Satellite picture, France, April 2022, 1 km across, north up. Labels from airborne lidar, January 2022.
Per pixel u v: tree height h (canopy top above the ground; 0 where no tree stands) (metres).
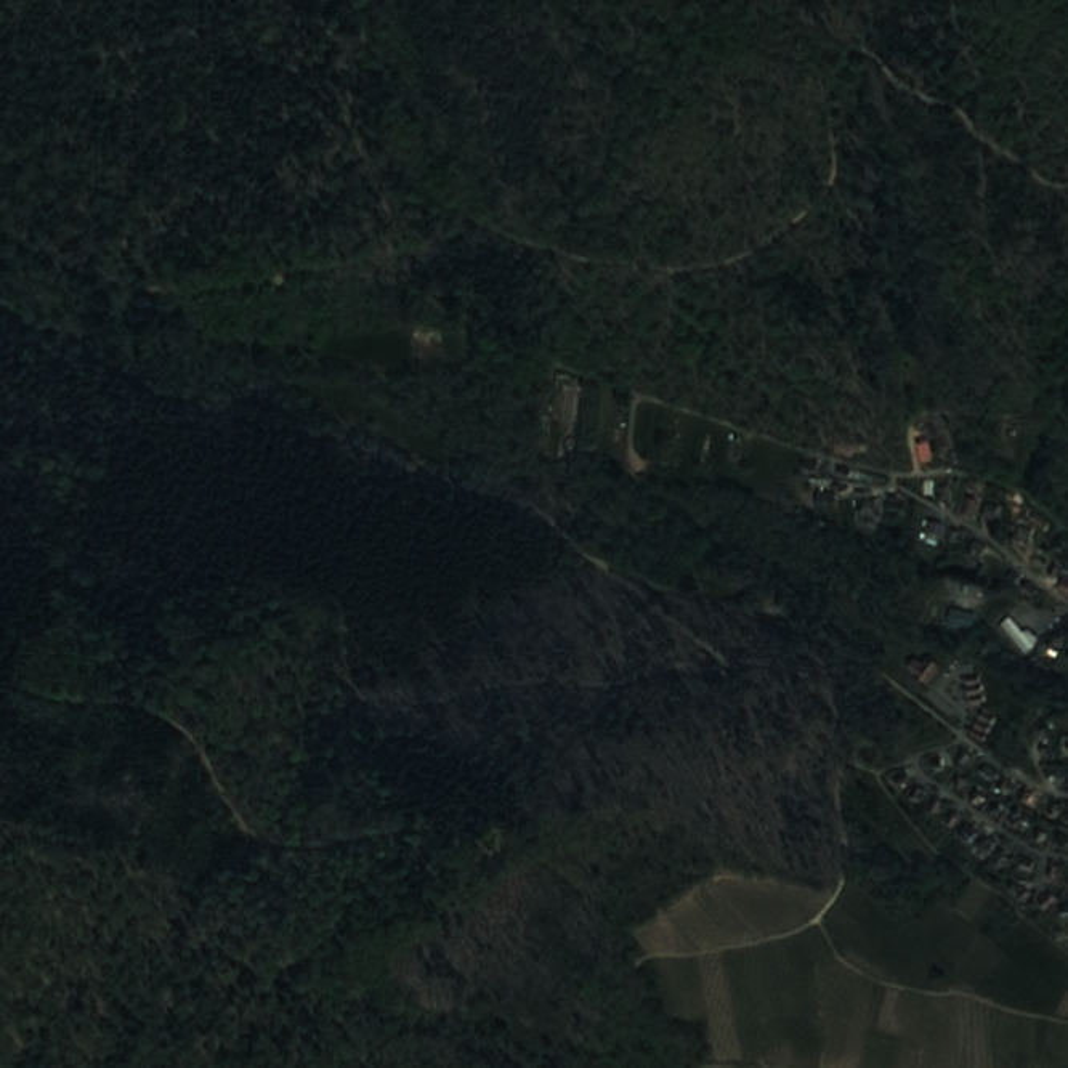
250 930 22
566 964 7
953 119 8
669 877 18
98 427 32
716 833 23
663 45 10
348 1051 22
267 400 28
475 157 13
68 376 38
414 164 23
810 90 14
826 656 18
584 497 22
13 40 23
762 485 0
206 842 14
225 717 27
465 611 27
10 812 12
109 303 34
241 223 18
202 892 9
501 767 19
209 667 27
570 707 21
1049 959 0
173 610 24
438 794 26
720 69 8
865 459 13
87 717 13
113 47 18
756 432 13
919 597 10
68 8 16
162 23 23
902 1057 0
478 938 18
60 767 15
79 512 30
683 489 16
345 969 25
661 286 9
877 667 19
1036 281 6
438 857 22
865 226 16
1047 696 9
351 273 19
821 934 0
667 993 0
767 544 25
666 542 21
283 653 27
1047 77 19
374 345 0
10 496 32
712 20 13
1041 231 7
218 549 29
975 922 0
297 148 19
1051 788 0
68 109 19
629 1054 23
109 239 26
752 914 0
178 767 9
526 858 24
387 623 20
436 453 0
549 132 8
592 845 14
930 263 17
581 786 14
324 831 31
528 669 19
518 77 11
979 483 9
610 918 22
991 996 0
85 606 14
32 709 19
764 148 24
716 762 16
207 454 28
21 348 18
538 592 22
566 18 10
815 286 7
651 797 13
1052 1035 0
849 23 11
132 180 14
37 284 20
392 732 25
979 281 7
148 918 19
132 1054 22
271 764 35
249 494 27
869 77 18
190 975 21
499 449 22
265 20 18
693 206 7
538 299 16
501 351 21
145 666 23
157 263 17
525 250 17
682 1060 22
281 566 30
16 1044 20
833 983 0
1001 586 11
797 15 10
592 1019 14
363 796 29
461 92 14
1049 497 15
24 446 28
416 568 26
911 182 17
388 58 20
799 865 18
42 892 18
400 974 21
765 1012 0
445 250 17
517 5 8
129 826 12
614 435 0
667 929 0
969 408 12
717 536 16
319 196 7
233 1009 19
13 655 18
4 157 22
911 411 12
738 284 8
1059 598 0
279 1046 14
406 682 22
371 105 10
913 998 0
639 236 11
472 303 8
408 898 17
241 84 26
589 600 17
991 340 18
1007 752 17
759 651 17
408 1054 17
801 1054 0
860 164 7
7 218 24
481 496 29
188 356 23
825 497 0
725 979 0
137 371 16
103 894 23
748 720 21
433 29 10
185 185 20
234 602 24
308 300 20
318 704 30
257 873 33
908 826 0
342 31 24
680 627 16
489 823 22
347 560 32
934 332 15
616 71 16
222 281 12
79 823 13
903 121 7
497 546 28
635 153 15
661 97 11
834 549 28
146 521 31
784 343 14
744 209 7
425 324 15
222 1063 6
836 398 16
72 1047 25
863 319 12
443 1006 19
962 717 0
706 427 0
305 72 20
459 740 17
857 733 24
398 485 28
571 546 27
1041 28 20
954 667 0
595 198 22
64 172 19
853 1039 0
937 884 12
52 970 17
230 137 20
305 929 24
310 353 11
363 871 22
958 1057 0
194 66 20
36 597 24
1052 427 18
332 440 29
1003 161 8
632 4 18
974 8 22
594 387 17
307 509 29
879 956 0
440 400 21
